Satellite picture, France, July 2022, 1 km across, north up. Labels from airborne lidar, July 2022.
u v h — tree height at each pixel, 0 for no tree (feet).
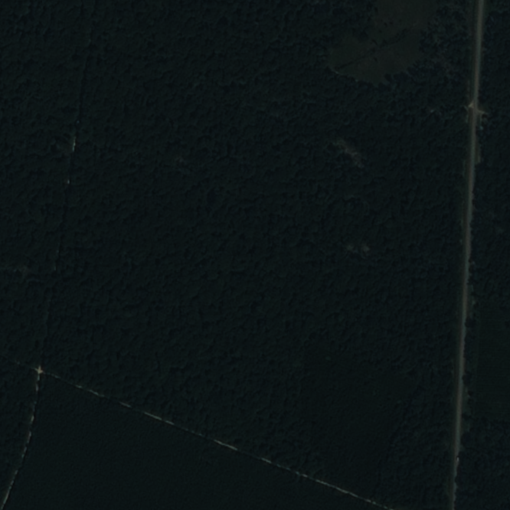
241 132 58
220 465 44
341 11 89
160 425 49
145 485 45
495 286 81
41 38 96
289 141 94
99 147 22
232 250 66
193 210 74
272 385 58
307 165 88
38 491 44
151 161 86
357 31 84
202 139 85
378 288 64
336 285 79
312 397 31
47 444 47
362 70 0
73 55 24
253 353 74
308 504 45
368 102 74
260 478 42
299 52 91
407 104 67
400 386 20
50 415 57
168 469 43
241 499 42
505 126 60
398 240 68
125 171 44
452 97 55
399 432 44
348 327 74
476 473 75
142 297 84
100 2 77
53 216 84
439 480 42
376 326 69
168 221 66
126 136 77
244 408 73
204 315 89
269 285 84
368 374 24
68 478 44
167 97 57
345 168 85
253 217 78
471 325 76
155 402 72
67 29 78
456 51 93
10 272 42
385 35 0
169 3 68
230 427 78
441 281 82
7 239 69
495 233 79
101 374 91
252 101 70
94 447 47
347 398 30
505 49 59
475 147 0
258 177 78
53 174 92
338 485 41
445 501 84
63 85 78
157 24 72
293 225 80
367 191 79
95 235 67
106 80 93
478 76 0
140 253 86
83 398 52
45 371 49
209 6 87
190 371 75
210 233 82
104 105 80
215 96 77
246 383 89
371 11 88
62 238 73
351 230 89
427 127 64
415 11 0
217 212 97
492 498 70
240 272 69
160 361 79
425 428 55
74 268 73
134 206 71
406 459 75
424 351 87
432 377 77
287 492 39
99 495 47
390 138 73
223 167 87
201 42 76
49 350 71
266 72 41
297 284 88
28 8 42
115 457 42
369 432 25
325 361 23
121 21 88
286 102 64
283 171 92
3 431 83
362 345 84
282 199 78
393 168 91
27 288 62
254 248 76
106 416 45
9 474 61
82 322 91
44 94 75
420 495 45
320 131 67
